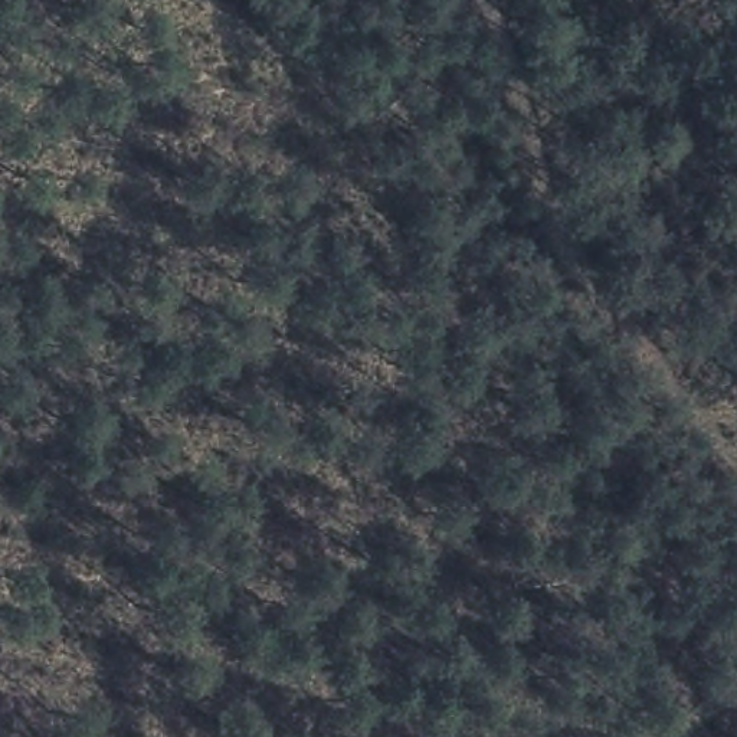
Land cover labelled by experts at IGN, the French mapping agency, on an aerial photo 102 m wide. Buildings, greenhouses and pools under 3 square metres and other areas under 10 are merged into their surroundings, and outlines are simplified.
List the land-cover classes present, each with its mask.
<instances>
[{"label":"coniferous trees","instance_id":"1","mask_svg":"<svg viewBox=\"0 0 737 737\"><path fill-rule=\"evenodd\" d=\"M29 14L26 0H0V46H20L29 55L40 49L37 40H29L17 29L20 20ZM121 17V6L109 0H89L75 20L83 29L95 32L101 43H109L115 37V26ZM253 9H262L282 29V40L308 63H322L328 49L317 37L320 9L314 6V0H250ZM541 6V32L535 37V52L530 55L535 81L527 83V101L535 98L538 109L550 107V118L559 112H582L596 127V138L587 150H576L573 144L556 147L553 161L576 178V187L567 196V210L576 213L579 236H602L610 248L590 268L596 285V305L607 311L619 308L622 317L639 311L654 314L659 328L668 334L662 354L671 366V374L682 383V392L668 397L665 383L654 380L645 366L636 363V345L642 337H619L607 325L590 343L582 340L579 314L561 302L559 276L550 259H544L535 250L533 242H524L521 236H507L504 225L498 222L504 219L501 193L518 184V109L510 104V86L515 81L507 63L495 55V49L481 52L472 46L478 23L487 20L475 0H423L420 29L429 35V55L409 58L406 37L400 29L403 0H386L383 9L363 6L360 17L363 32H386L392 60H377L374 49L348 52L354 83H366L371 92L345 112V121L348 127L383 115L389 109V101L400 104L406 112L420 109L426 124V141L420 147H397V155L392 161L371 164L369 173V178L380 181L383 187L392 181L429 187V216L417 225L412 242L423 253V273H417L406 291L415 308L420 311L415 322L400 317L386 331L377 325L374 308L386 294L377 291L369 265L363 262V250L348 242L345 230H334V253L340 271L325 276V299L320 297L308 302L302 311L305 320L320 331L334 328L337 334H345L351 340H374L380 345L392 340V345H400L394 351L392 366L423 377L417 392L420 400L429 406L426 417L386 429L369 423L363 429L360 443L369 446V455L363 458L360 472L374 475L383 469L392 466L406 472L409 478H420L423 472L438 469L449 446L455 412L472 403L487 389L489 363L504 348H521L533 357V386L538 403L530 417L515 423V432L521 438H535V443L530 446L527 458L512 455L489 464L481 492L498 510H515L524 518V524L535 515L547 521L561 518L573 507L587 510L590 518L582 544L576 538H550V544H544L541 538L527 533L530 556L518 550H504L498 561L510 573H533L538 579L556 582L570 573L576 582H582L584 590H593L596 584L616 590L602 619H576L573 628L561 636L564 645L576 648V656L564 665L567 679L547 682L535 694V708L521 711L524 731L530 737H682L691 725V705H685L677 697L671 674V665H665L656 656L654 639H682L697 625L705 607L714 602L711 582L717 570L723 567L737 579V472L723 469V461L714 455L708 438L694 426V409H708L688 389L697 377L702 357L723 351L731 357V366H737V291H714L708 276L700 271L682 276V271L674 262L665 268L668 291L648 285L654 259L665 245V225L659 213L651 216L642 207V176L648 167L659 164L674 170L688 155L691 138L682 124H671L662 127L659 144L642 153V124L656 104H677L679 86L671 83V63L665 60L656 66L659 83H636V69L648 46L645 29L654 20L645 12L636 26L628 29V49L619 55L616 72L607 81H602L593 63L576 58L573 46H596V35L579 26L570 0H535ZM443 66H452L464 86L458 92V109L449 118L435 109V75ZM464 132H481L489 141H495L501 170L489 181V190L478 202V207L464 222H455L452 210L458 204V196L466 187H472L475 178L472 161L461 147ZM452 265L475 276H489L498 268L501 273H512L515 282L510 285V314H495L492 305L478 308L472 317L475 343L455 348L449 354L443 334L455 305L449 288ZM671 535L682 544L679 561L685 570H679L677 579H671L665 610L654 616V596L636 579L639 561ZM127 26L144 32L150 55L164 49V69H155L153 86L130 89V83H124L112 92L101 89L89 78H75V92L66 101L55 104L52 98L40 95V107L35 112H23L20 107H12V101L0 98V147L12 158H40L46 153H58V141L81 124L83 115L107 121L121 132L141 107L164 104L173 95H178L190 83V66L187 52L178 46V26L170 23L164 14L150 12L144 17H130ZM92 49L83 40H66L63 46L52 49L55 58L63 60H78ZM717 83L720 98L702 101L700 112L728 127L731 147L737 155V66L723 63L720 49L711 46L705 60H700L694 72V83ZM279 176L265 167H236L233 161H225L219 153L210 150L207 167L202 173L204 184H190L184 190V207L190 213L233 210L253 222L271 216L273 199L268 196V184ZM52 173L26 170V202L35 210H52L60 202V187H46ZM297 216H305L322 199V184L317 173L308 170L302 181L291 190ZM109 184L92 178V184L83 193H75L72 202H86L98 213L107 202ZM711 239L723 236L728 242H737V181H728L723 187L720 202L711 219L705 222ZM259 253L268 262V268L248 288L271 294L268 302L279 311L288 308L297 282L314 262L317 227H308L302 236H279L259 245ZM37 262V250L29 245L20 248L17 256H9L6 242L0 245V271L26 273ZM130 302L138 308V331L127 337V343L115 340L124 348V357L130 360L127 377L155 383L144 394V409H164L176 400V392L184 386L216 389L222 380L236 377L245 363L271 357V328L276 320L239 317L230 305L219 302L213 317V340L222 345V360L216 354H190L187 340L173 343V311L181 302V291L173 288L170 279L158 276L155 299L130 294ZM69 305L58 279L43 282V297L37 302H20L17 288H0V366L9 371L12 386L17 389L12 412L20 415L35 409L37 383L32 374L23 371L20 360L43 357L49 351L55 331L66 322ZM98 308H115V297L104 285H92V291L83 299L86 334L55 366V371L75 369L86 357V351L98 348L107 340V328L95 314ZM271 392H259L253 409L236 417V423H242L256 440H262L256 461L268 472H308L317 461H334L348 443V438L340 432L348 420L345 415L328 409L325 415H320L317 409L302 406L299 420L294 423L291 412H271ZM78 446L86 452L83 484H98L107 475L104 449L118 432V423L107 403L92 400V409L78 420ZM184 432L178 438H170L158 452H150L135 466V475L124 481V489L130 495H144L155 489L158 478L190 475L193 487H199L204 498V518L199 524L187 530H181L178 524L170 527L167 535L153 541L150 550L155 556V596L167 599L170 593H176L184 605L178 616L161 622V633L176 636L173 654H181L187 668L193 671V677L184 679L170 677L167 688L181 691L190 700H202L222 682L219 659H236L242 654H248V668L253 671V677L282 682L288 685V691L308 688L317 671H322L331 691H345L360 708V714L348 723V737H369L377 725V697L371 688L374 674L369 668V656L371 645L377 642V616L374 610L357 613V625L348 633L354 671L348 674L345 668L334 665V659L320 654L317 625L334 607L343 605L351 576L348 567L320 556L311 564V579L320 584V590L311 593L308 602L299 593H288L282 605H276L259 599L245 587L262 564L256 538L265 510L256 487L248 492L227 489L225 466L216 461L213 452H207L202 464H193L184 452ZM46 489L32 484L26 498L14 504V510L23 512L29 521H37L43 518ZM417 518L429 527V550H417L420 564L403 567L392 556L389 570L383 573L394 576L392 584L403 593V607H397L392 619L394 628L403 633L440 639L455 656L446 665L426 659H417L412 665V694L394 702L392 723L403 728L423 702L426 708H435L440 714L429 728L435 737H455L464 720V708L469 711L475 705L481 708L484 723H489V731L495 737H501L515 711L512 702L521 697L527 679L521 642L530 636V605L521 599L512 607V613L495 610V636L504 642V659L489 668L478 659L466 633L452 622L449 607L423 584L435 579L438 559L452 544L458 547L475 524L469 510H449L446 504H432ZM69 556H101L92 538L72 535V541L66 544ZM12 593L6 605L29 599V607L20 610L26 630L20 636V651H35L43 639L58 636L60 630V610L49 590L46 567L37 564L26 570H6ZM705 645H714L720 654V671L714 674L708 682V694L723 705L737 702V605L731 616L708 633ZM112 725V714L104 702V688L98 685L86 700L78 702V711H63V723L58 725V731L63 737H104ZM222 737H271L273 728L262 708L253 700H236L219 714Z\"/></svg>","mask_w":737,"mask_h":737},{"label":"herbaceous vegetation","instance_id":"2","mask_svg":"<svg viewBox=\"0 0 737 737\"><path fill-rule=\"evenodd\" d=\"M89 0H26L29 14L20 20L17 29L29 40H37L40 49L29 55L20 46H0V98L12 101V107H20L23 112H35L40 107V95L52 98L55 104L66 101L75 92V78H89L101 89L112 92L124 83H130V89L153 86L155 69H164V49L150 55L144 32L127 26L130 17H144L150 12L164 14L170 23L178 26V46L187 52L190 66V83L178 95H173L164 104L141 107L121 132L107 121L83 115L81 124L58 141V153H46L40 158H12L0 147V245L6 242L9 256H17L20 248L29 245L37 250V262L26 273L0 271V288H17L20 302H37L43 297V282L58 279L69 305L66 322L55 331L49 351L43 357L20 360L23 371L32 374L37 383L35 409L20 415L12 412L17 389L12 386L9 371L0 366V737H63L58 731V725L63 723V711H78V702L86 700L98 685L104 688V702L112 714V725L104 737H222L219 714L236 700H253L262 708L273 728L271 737H348V723L360 714V708L345 691H331L322 671H317L308 688L288 691V685L282 682L253 677V671L248 668V654H242L236 659H219L222 682L202 700H190L181 691L167 688L170 677L184 679L193 677V671L187 668L181 654H173L176 636L161 633V622L178 616L184 605L176 593H170L167 599L155 596V556L150 550L153 541L167 535L170 527L178 524L181 530H187L199 524L204 518V498L199 487H193L190 475L158 478L155 489L144 495H130L124 489V481L135 475V466L150 452H158L170 438H178L184 432V452L193 464H202L207 452H213L219 446L225 452H233L236 458L256 461L262 440H256L242 423H236V417L253 409L259 392H271V412H291L294 423L299 420L302 406L317 409L320 415H325L328 409L345 415L348 420L340 432L348 438V443L334 461H317L308 472H268V478L256 487L265 510L256 538L262 564L245 587L259 599L276 605H282L288 593H299L308 602L311 593L320 590V584L311 579V564L320 556L348 567L351 576L343 605L334 607L317 625L320 654L334 659V665L345 668L348 674L354 671L348 633L357 625V613L374 610L377 616V642L371 645L369 656V668L374 674L371 688L377 697V725L369 737H435L429 728L440 714L435 708H426L423 702L403 728L392 723L394 702L412 694V665L417 659H426L446 665L455 656L440 639L403 633L394 628L392 619L397 607H403V593L392 584L394 576L383 573L389 570L392 556L403 567L420 564L417 550H429V527L417 518L406 515L403 501L392 492V487L383 484V469L374 475L360 472L363 458L369 455V446L360 443L363 429L369 423L386 429L426 417L429 406L420 400L417 392L423 377L392 366L394 351L400 345H392V340L380 345L374 340H351L345 334H337L334 328L320 331L305 320L302 311L308 302L320 297L325 299V276L340 271L334 253V230H345L348 242L363 250V262L369 265L377 291L386 294L374 308L377 325L386 331L400 317L415 322L420 311L415 308L406 291L417 273H423V253L412 242L400 245L389 233V213L377 210L366 193L354 187L363 173L345 161L340 150V141L348 127L345 121H337L331 115L325 98L317 89V81L311 78L308 63L282 40V29L262 9H253L250 0H109L121 6V17L115 26V37L109 43H101L95 32L83 29L75 20ZM66 40H83L92 49L78 60H63L55 58L52 49L63 46ZM210 150L219 153L225 161H233L236 167H265L279 176L268 184V196L273 199L271 216L253 222L233 210L190 213L184 207V190L190 184H204L202 173L207 167ZM26 170L52 173L46 187H60V202L52 210H35L26 202ZM308 170L317 173L322 184V199L305 216H297L291 190L302 181ZM92 178L109 184L107 202L98 213L86 202H72L75 193H83L92 184ZM308 227H317L314 262L297 282L288 308L279 311L268 302L271 294L248 288L268 268V262L259 253V245L279 236H302ZM158 276L170 279L173 288L181 291V302L173 311V343L187 340L190 354H216L222 360V345L213 340V317L219 302L230 305L239 317L276 320L271 328V357L245 363L236 377L222 380L216 389L184 386L176 392V400L164 409H144V394L155 383L127 377L130 360L124 357V348L115 340L127 343V337L138 331V308L130 302V294L155 299ZM92 285H104L115 297V308H98L95 314L107 328V340L98 348L86 351V357L75 369L55 371V366L86 334L83 299L92 291ZM92 400L107 403L118 423V432L104 449L107 475L98 484H83L86 452L78 446V420L92 409ZM32 484L46 489L43 518L37 521H29L23 512L14 510V504L26 498ZM72 535L92 538L101 556H69L66 544L72 541ZM37 564L46 567L49 590L60 610V630L58 636L43 639L35 651H20V636L26 630L20 610L29 607V599L6 605L12 593L6 570H26ZM694 426L708 438L714 455L723 461V469L737 472V409L728 400H717L708 409H694ZM590 518L587 510L573 507L561 518L547 521L535 515L524 524V518L515 510H498L475 524L458 547L452 544L438 559L435 579L423 584L449 607L452 622L466 633L478 659L489 668L504 659V642L495 636V610L512 613V607L521 599L530 605V636L521 642L527 679L521 697L512 702L515 711L501 737H530L524 731L521 711L535 708V694L547 682L567 679L564 665L576 656V648L564 645L561 636L573 628L576 619H602L616 590L596 584L593 590H584L582 582H576L570 573L556 582L538 579L533 573H510L498 561L504 550H518L530 556L527 533L541 538L544 544H550V538H576L582 544ZM714 602L705 607L697 625L708 633L731 616L737 605V579L723 567L717 570L711 582ZM677 697L685 705H691V725L682 737H714L711 717L723 705L708 694V682L714 674L702 662L700 651L697 656H691L688 665L671 674ZM455 737H495L489 731V723H484L481 708L475 705L469 711L464 708V720Z\"/></svg>","mask_w":737,"mask_h":737},{"label":"brushwood","instance_id":"3","mask_svg":"<svg viewBox=\"0 0 737 737\"><path fill-rule=\"evenodd\" d=\"M314 6L320 9L317 37L328 49L322 63H308L311 78L317 81V89L325 98L331 115L337 121H345V112L371 92L366 83H354L348 52L374 49L377 60H392L386 32H363L360 17L363 6L383 9L386 0H314ZM423 0H403L400 29L406 37L409 58L429 55V35L420 29ZM487 20L478 23L472 46L481 52L495 49V55L507 63L515 81L527 83L535 81L530 55L535 52V37L541 32V6L535 0H475ZM579 26L596 35V46H573L576 58L593 63L602 81H607L616 72L619 55L628 49V29L636 26L645 12L654 20L645 29L648 46L636 69V83H659L656 66L665 60L671 63V83L679 86L677 104H656L642 124V153L659 144L662 127L671 124H682L691 138L688 155L674 170L659 164L648 167L642 176V207L651 216L659 213L665 225V245L654 259L648 285L668 291L665 268L674 262L682 271V276L700 271L708 276L714 291H737V242H728L723 236L711 239L705 222L711 219L720 202L723 187L728 181H737V155L731 147L728 127L700 112L702 101L720 98L717 83H694V72L700 60H705L711 46L720 49L723 63L737 66V0H570ZM435 109L449 118L458 109V92L464 86L452 66H443L435 75ZM426 141V124L420 109L406 112L400 104L389 101V109L383 115L348 127L340 141V150L345 161L363 173L354 187L366 193L377 210L389 213V233L400 245L412 242L417 225L429 216V187L392 181L383 187L380 181L369 178V173L371 164L392 161L397 155V147H420ZM538 118L547 124L535 132L541 141L547 190H533L527 135L518 132V184L501 193L504 219L498 222L504 225L507 236H521L524 242H533L535 250L544 259H550L559 276L561 302L579 314L582 340L590 343L607 325L619 337H648L654 348L662 354L668 334L659 328L654 314L639 311L622 317L619 308L607 311L596 305V285L590 268L610 248L602 236H579L576 213L567 210V196L576 187V178L553 161L556 147L573 144L576 150H587L596 138V127L582 112H559L550 118V107L538 109ZM461 147L472 161L475 178L472 187H466L458 196V204L452 210L455 222H464L478 207V202L489 190V181L501 170L495 141H489L481 132H464ZM515 282L512 273H501L498 268L489 276H475L452 265L449 288L455 305L443 334L449 354L455 348L475 343L472 317L478 308L492 305L495 314H510V285ZM538 403L533 386V357L521 348H504L489 363L487 389L472 403L455 412L449 446L438 469L423 472L420 478H409L406 472L392 466L383 469V484L392 487V492L403 501L406 515L417 518L432 504H446L449 510H469L475 524L498 510L481 492L489 464L512 455L527 458L530 446L535 443V438H521L515 432V423L530 417ZM688 389L708 409L717 400H728L737 409V366H731V357L723 351L702 357L697 377ZM216 461L225 466L227 489L248 492L256 487L268 478V472L256 461L236 458L233 452H225L219 446L213 452ZM682 544L671 535L639 561L636 579L654 596V616L665 610L671 579H677L679 570H685L679 561ZM708 633L697 625L682 639H654L656 656L665 665H671V674L688 665L691 656H697L700 651L702 662L714 674L720 671V654L714 645H705ZM714 737H737V702L723 705L711 717Z\"/></svg>","mask_w":737,"mask_h":737},{"label":"bare soil","instance_id":"4","mask_svg":"<svg viewBox=\"0 0 737 737\"><path fill-rule=\"evenodd\" d=\"M510 104L518 109V132L527 135L533 190H547L541 141L535 132L547 124L538 118V109L535 98L527 101V83L515 81L510 86ZM636 363L645 366L654 380L665 383L668 397L682 392V383L671 374V366L662 354L654 348L648 337H642L636 345Z\"/></svg>","mask_w":737,"mask_h":737}]
</instances>
